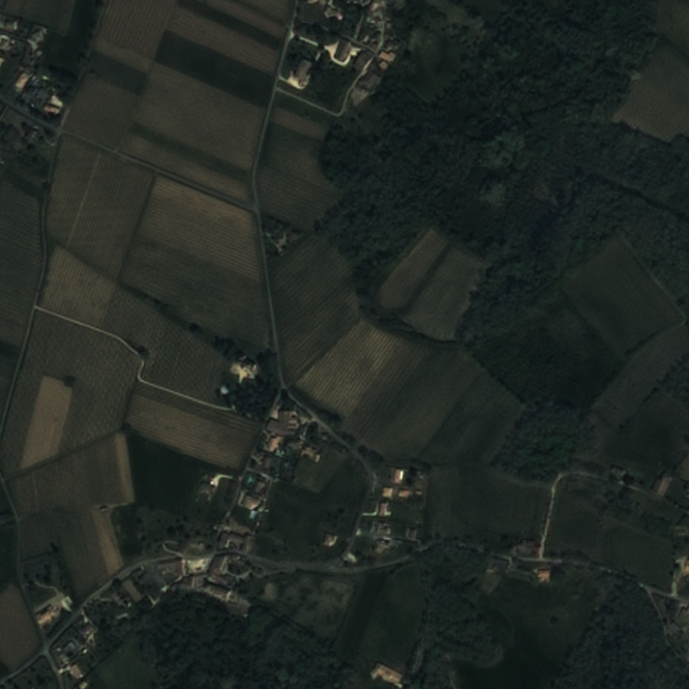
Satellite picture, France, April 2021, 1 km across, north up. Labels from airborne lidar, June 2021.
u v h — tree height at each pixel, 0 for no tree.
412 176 17
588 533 0
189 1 0
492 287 12
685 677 19
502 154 31
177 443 0
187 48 0
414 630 0
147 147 0
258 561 0
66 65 0
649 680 15
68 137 0
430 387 0
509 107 14
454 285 0
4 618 0
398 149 29
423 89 0
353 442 14
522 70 7
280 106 0
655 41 22
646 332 0
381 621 0
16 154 11
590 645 16
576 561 19
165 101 0
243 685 18
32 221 0
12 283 0
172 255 0
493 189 25
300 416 8
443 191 9
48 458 0
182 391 0
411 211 19
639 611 19
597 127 15
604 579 21
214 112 0
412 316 0
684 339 0
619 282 0
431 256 0
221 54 0
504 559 11
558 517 0
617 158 8
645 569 0
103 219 0
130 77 0
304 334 0
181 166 0
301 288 0
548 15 19
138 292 0
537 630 0
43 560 0
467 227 0
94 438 0
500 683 0
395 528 0
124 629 14
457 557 19
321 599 0
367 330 0
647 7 13
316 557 7
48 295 0
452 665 22
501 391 0
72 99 17
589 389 0
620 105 8
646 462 0
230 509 9
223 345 16
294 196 0
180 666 25
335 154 12
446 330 0
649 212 18
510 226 7
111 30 0
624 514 8
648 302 0
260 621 22
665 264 16
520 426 9
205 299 0
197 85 0
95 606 6
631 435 0
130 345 0
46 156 0
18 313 0
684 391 17
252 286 0
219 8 0
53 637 11
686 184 10
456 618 21
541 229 5
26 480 0
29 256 0
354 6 6
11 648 0
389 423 0
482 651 19
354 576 0
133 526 0
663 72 0
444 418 0
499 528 0
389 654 0
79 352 0
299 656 14
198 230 0
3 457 0
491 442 0
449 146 9
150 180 0
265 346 0
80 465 0
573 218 17
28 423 0
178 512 0
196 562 0
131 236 0
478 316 12
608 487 16
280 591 0
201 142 0
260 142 0
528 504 0
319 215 0
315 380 0
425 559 13
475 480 0
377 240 25
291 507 0
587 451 15
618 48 18
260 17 0
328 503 0
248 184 0
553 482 18
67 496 0
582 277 0
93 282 0
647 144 13
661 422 0
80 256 0
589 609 0
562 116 8
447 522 0
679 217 17
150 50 0
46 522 0
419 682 16
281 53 0
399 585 0
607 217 16
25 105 14
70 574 0
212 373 0
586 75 9
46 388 0
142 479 0
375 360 0
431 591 17
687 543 11
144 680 0
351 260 21
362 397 0
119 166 0
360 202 16
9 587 0
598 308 0
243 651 12
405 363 0
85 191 0
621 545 0
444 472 0
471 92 13
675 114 0
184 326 0
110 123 0
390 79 13
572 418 24
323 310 0
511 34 21
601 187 19
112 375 0
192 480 0
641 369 0
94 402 0
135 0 0
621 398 0
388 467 6
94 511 0
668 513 0
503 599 0
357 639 0
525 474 19
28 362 0
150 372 0
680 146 11
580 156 6
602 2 9
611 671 14
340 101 0
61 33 0
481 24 24
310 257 0
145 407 0
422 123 13
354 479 0
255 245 0
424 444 0
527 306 22
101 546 0
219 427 0
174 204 0
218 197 0
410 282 0
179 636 11
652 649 14
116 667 0
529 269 21
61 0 0
